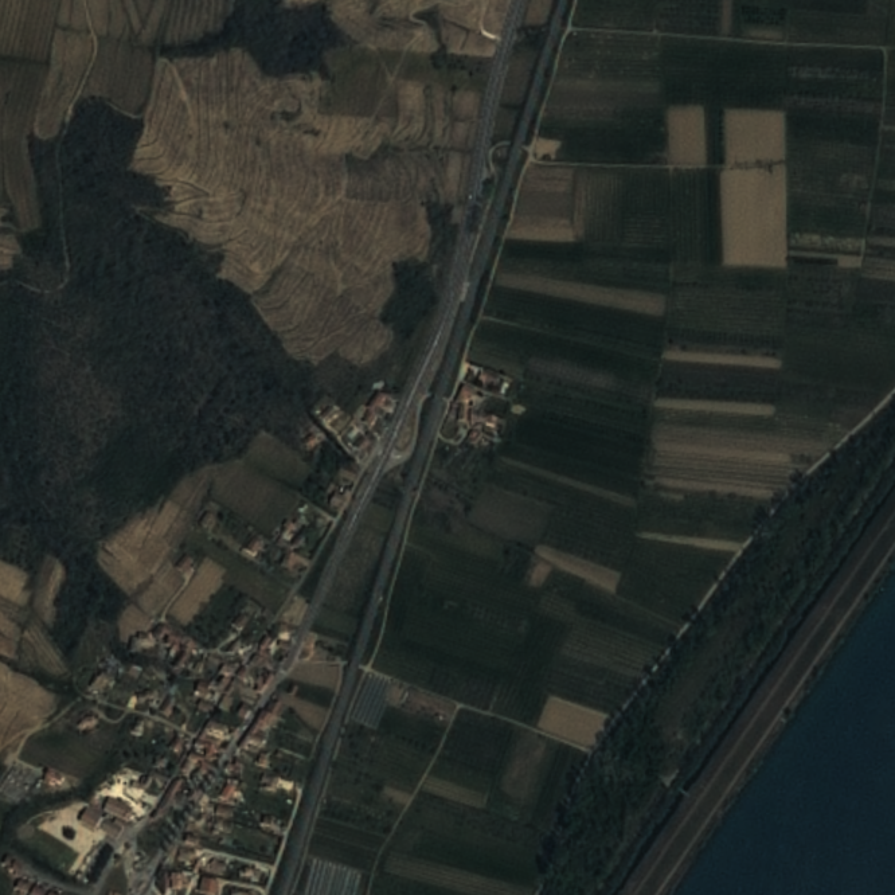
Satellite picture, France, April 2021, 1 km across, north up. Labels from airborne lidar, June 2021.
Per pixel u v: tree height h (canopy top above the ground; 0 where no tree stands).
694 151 0
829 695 0
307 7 17
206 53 10
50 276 0
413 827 0
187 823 17
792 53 0
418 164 0
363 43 0
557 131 0
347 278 0
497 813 0
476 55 0
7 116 0
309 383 10
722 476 0
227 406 11
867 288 0
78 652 12
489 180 8
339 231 0
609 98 0
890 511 0
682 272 0
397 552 0
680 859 0
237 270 0
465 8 0
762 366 0
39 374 10
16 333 7
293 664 0
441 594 0
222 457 15
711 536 0
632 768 22
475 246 0
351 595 0
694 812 0
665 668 19
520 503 0
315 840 0
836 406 0
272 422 16
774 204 0
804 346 0
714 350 0
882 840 0
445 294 0
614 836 8
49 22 0
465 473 0
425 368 0
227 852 0
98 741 0
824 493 7
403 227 0
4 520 17
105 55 0
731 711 12
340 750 0
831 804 0
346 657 0
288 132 0
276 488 0
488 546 0
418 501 0
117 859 7
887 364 0
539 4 0
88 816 0
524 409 0
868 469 20
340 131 0
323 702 0
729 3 0
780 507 18
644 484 5
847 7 0
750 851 0
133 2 0
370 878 0
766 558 6
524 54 0
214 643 6
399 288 8
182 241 9
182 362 13
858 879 0
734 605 11
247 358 19
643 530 0
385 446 0
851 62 0
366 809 0
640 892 0
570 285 0
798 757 0
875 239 0
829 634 0
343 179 0
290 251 0
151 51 0
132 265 16
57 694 0
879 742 0
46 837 0
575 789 22
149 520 0
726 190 0
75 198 12
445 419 0
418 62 0
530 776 0
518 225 0
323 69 8
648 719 7
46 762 0
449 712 0
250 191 0
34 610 0
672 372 0
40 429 8
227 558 0
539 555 0
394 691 0
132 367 14
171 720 0
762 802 0
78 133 17
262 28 14
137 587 0
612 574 0
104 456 7
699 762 12
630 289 0
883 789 0
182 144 0
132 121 7
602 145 0
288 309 0
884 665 0
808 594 15
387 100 0
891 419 10
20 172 0
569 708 0
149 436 11
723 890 0
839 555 15
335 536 0
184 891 0
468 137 0
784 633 14
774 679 0
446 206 10
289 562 0
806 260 0
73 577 19
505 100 0
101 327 8
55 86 0
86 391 6
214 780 15
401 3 0
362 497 0
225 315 14
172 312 14
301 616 0
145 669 8
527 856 0
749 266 0
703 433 0
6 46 0
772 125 0
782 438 0
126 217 19
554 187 0
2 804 0
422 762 0
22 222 0
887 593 0
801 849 0
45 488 7
